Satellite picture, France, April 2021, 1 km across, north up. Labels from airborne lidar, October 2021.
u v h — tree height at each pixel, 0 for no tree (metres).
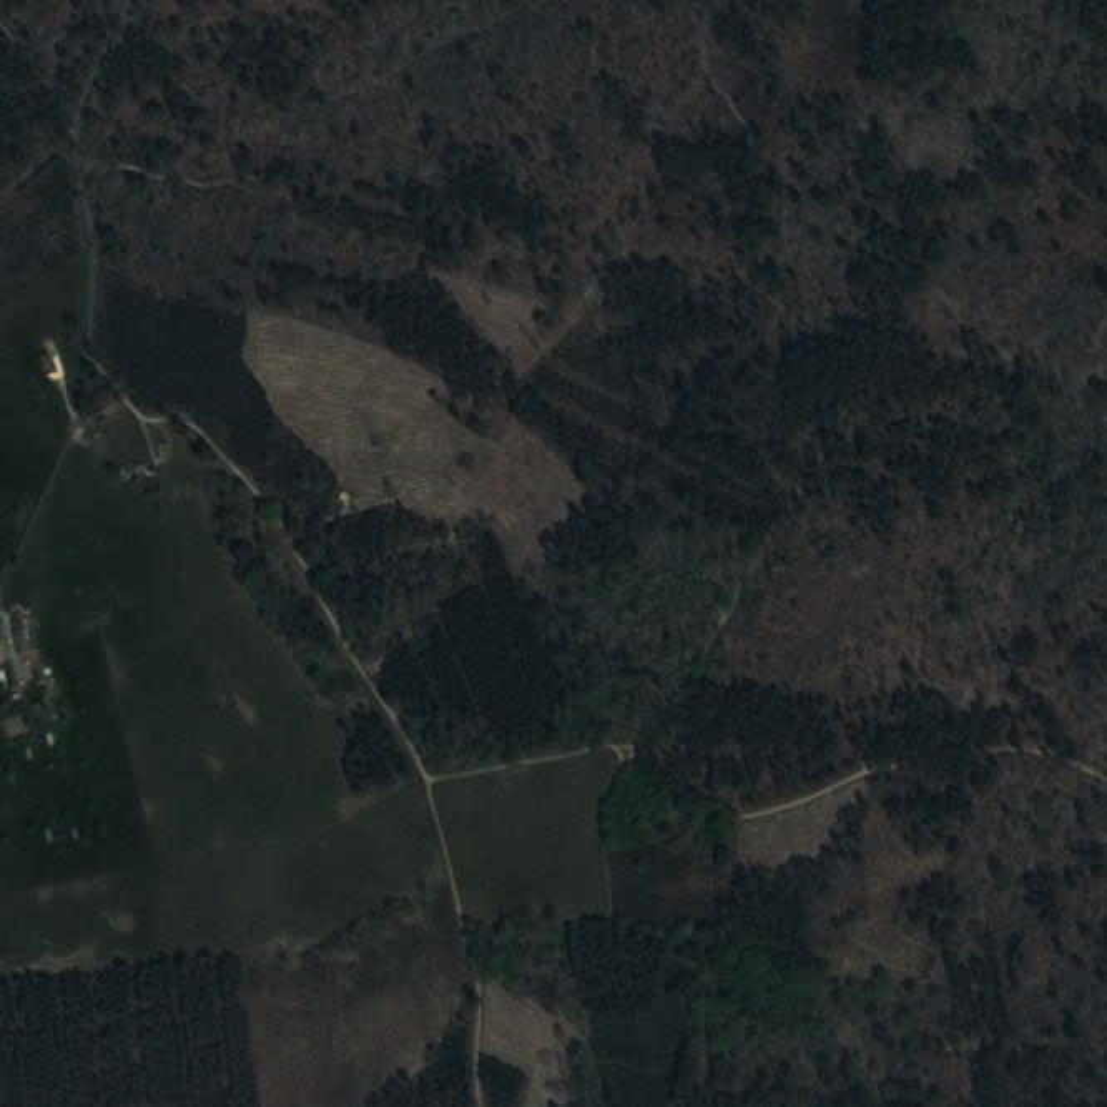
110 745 0
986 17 23
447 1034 10
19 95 22
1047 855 13
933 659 5
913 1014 11
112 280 9
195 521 0
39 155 10
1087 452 16
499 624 7
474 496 0
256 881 0
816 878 21
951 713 22
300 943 0
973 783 9
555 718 12
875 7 24
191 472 0
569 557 24
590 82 7
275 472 6
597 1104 17
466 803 0
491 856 0
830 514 10
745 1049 15
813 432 14
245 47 25
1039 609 19
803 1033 17
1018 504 12
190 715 0
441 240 16
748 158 24
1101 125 17
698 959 18
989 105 19
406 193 16
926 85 21
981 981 14
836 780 18
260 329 0
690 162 28
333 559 17
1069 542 23
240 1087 14
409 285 17
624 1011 15
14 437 0
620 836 15
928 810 18
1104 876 19
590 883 0
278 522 18
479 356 15
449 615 12
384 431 0
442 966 0
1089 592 10
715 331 25
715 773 20
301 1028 0
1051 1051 6
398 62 23
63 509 0
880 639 8
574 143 10
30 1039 16
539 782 0
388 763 13
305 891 0
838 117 20
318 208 18
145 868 0
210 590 0
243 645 0
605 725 12
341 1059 0
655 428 11
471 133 7
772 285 25
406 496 0
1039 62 13
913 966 0
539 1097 0
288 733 0
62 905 0
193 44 14
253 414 7
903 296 24
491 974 20
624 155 9
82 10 21
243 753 0
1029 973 15
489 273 10
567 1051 8
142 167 16
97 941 0
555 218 12
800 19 30
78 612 0
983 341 19
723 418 9
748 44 29
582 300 17
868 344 23
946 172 0
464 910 0
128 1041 20
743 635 8
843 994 19
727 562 15
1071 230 20
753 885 24
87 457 0
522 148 16
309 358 0
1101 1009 10
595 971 20
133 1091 16
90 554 0
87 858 0
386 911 9
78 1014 16
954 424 12
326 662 8
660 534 19
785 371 11
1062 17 21
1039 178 23
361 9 8
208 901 0
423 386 0
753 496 6
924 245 17
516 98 9
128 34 13
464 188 17
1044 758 9
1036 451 15
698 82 19
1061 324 13
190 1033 14
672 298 25
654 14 14
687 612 14
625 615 18
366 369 0
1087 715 13
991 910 6
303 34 25
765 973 17
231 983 17
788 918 21
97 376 20
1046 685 11
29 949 0
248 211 12
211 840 0
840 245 9
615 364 25
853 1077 20
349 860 0
